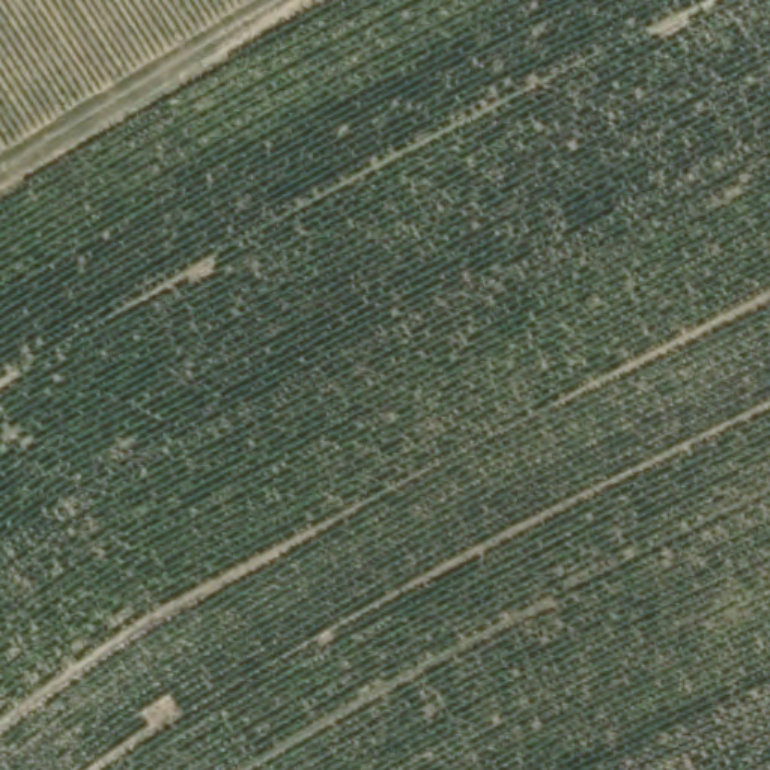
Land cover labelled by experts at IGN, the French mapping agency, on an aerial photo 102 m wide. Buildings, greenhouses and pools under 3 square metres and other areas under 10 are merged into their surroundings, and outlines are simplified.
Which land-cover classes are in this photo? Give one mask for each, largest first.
<instances>
[{"label":"vineyard","instance_id":"1","mask_svg":"<svg viewBox=\"0 0 770 770\"><path fill-rule=\"evenodd\" d=\"M0 770H770V0H0Z\"/></svg>","mask_w":770,"mask_h":770}]
</instances>
